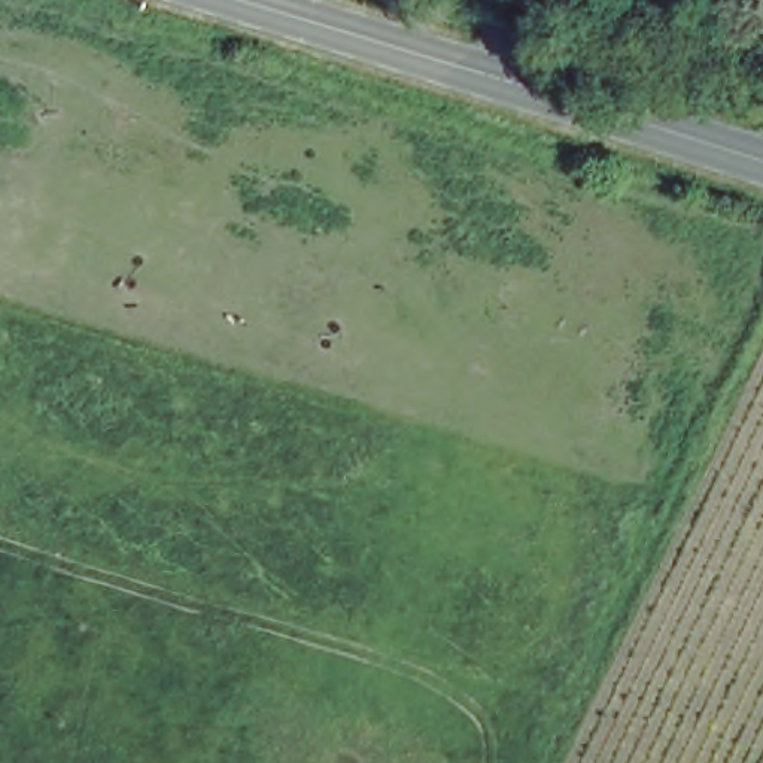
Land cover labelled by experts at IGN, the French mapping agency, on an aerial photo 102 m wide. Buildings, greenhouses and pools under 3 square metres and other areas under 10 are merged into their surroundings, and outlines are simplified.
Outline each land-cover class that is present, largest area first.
<instances>
[{"label":"herbaceous vegetation","instance_id":"1","mask_svg":"<svg viewBox=\"0 0 763 763\"><path fill-rule=\"evenodd\" d=\"M197 0H0V763H566L581 733V724L691 507V498L706 474L715 447L712 441H706V432L715 390L733 370L763 304V224H751L736 212H712L703 203L709 197L742 200L745 191L763 194V188L736 176L683 164L677 158L653 155L650 164L659 182L629 185L617 206H608L596 203L587 188H575L566 170L587 158H605L608 149L599 143H572L557 131L554 122L534 119L510 107L423 86L379 69H361L340 57L307 51L274 36L256 39V30H241L238 24L206 18L194 6ZM459 6L450 12L447 30L441 33L465 42L474 39L477 24H492L516 36L519 18L531 0H456Z\"/></svg>","mask_w":763,"mask_h":763},{"label":"vineyard","instance_id":"2","mask_svg":"<svg viewBox=\"0 0 763 763\"><path fill-rule=\"evenodd\" d=\"M566 763H763V349L748 373V384L736 408L730 411L721 441L715 447L706 474L691 498V507L581 724V733Z\"/></svg>","mask_w":763,"mask_h":763},{"label":"deciduous trees","instance_id":"3","mask_svg":"<svg viewBox=\"0 0 763 763\"><path fill-rule=\"evenodd\" d=\"M382 12L396 18L408 36L441 33L447 30L450 12L459 6L456 0H373ZM516 66L534 80V86H548L545 101L551 104V110L569 116L575 125H587L596 143H599L605 134L641 131L647 122L683 119H694L700 125L724 122L730 128L754 131L763 137V0H531L519 18L516 36ZM653 155L608 149L605 158H587L566 170L575 188H587L596 203L608 206H617L629 185L659 182L650 164Z\"/></svg>","mask_w":763,"mask_h":763},{"label":"impervious surface","instance_id":"4","mask_svg":"<svg viewBox=\"0 0 763 763\"><path fill-rule=\"evenodd\" d=\"M194 6L206 18L238 24L241 30H256V39L274 36L307 51L340 57L361 69H379L423 86L510 107L534 119L554 122L557 131L572 143H596L587 125H575L569 116L551 110V104L545 101L548 86H534V80L516 66V36L492 24H477L474 39L465 42L441 33L408 36L396 18L382 12L373 0H197ZM599 143L608 149L653 155L677 158L683 164L736 176L763 188V137L754 131L730 128L724 122L700 125L694 119H683L647 122L641 131L605 134Z\"/></svg>","mask_w":763,"mask_h":763},{"label":"brushwood","instance_id":"5","mask_svg":"<svg viewBox=\"0 0 763 763\"><path fill-rule=\"evenodd\" d=\"M712 212H736L751 224H763V194L745 191L742 200L709 197L703 203ZM763 349V304L733 370L715 390L706 432V441H712L715 447L721 441L730 411L736 408L748 384V373Z\"/></svg>","mask_w":763,"mask_h":763}]
</instances>
